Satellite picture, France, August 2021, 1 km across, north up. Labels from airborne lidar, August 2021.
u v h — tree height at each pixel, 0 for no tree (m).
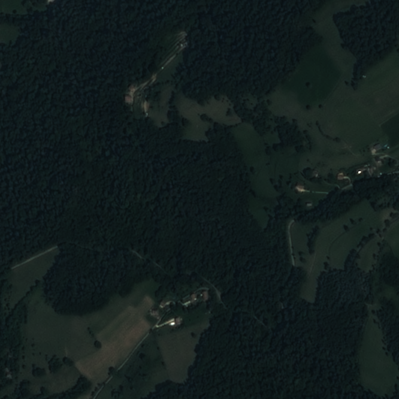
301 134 15
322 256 0
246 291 28
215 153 21
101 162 27
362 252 0
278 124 12
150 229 18
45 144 26
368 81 0
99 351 0
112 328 0
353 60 0
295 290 18
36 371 13
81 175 19
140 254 19
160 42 15
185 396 27
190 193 23
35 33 34
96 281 10
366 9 22
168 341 0
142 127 18
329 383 34
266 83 26
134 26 20
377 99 0
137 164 28
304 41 21
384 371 0
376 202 9
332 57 0
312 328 19
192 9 35
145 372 0
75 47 29
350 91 0
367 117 0
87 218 31
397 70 0
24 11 0
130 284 11
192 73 26
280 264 25
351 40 25
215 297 19
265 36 33
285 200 24
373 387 0
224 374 30
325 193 0
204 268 24
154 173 23
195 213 31
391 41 24
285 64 13
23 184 28
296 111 0
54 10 24
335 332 18
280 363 28
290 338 32
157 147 17
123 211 26
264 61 33
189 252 18
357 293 15
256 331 27
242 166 10
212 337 27
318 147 0
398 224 0
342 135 0
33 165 22
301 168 0
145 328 0
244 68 28
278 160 0
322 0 26
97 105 31
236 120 0
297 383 30
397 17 22
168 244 24
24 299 8
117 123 22
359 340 21
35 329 0
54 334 0
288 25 27
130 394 0
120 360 0
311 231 0
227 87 23
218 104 0
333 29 0
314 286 0
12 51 28
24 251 19
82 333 0
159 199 14
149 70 14
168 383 0
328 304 18
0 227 29
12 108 28
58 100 22
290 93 0
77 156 20
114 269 18
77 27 22
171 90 0
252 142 0
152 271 16
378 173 0
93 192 17
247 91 18
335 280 17
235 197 20
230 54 23
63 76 22
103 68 29
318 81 0
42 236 26
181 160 36
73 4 33
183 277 20
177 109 12
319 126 10
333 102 0
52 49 25
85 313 13
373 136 0
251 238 16
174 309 14
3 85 27
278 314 19
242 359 27
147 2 27
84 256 16
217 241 31
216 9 34
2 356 15
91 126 26
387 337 8
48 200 25
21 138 27
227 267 23
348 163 0
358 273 15
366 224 0
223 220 23
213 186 22
